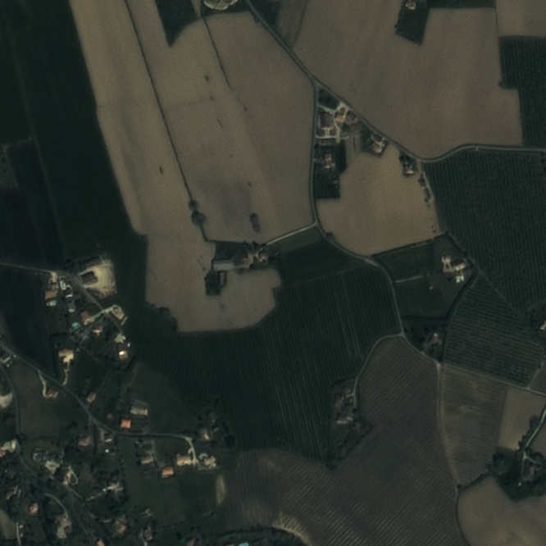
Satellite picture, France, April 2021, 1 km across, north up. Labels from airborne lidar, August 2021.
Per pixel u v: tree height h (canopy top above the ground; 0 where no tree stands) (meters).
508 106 0
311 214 0
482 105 0
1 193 0
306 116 0
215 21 0
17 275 0
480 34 0
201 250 0
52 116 0
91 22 0
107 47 0
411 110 0
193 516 0
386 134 0
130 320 0
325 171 6
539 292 6
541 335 7
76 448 13
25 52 0
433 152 0
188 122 0
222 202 0
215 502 0
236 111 0
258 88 0
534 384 0
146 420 0
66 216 0
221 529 0
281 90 0
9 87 0
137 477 0
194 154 0
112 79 0
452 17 0
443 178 15
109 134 0
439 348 9
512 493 0
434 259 0
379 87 0
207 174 0
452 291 0
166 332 0
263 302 0
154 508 0
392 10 0
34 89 0
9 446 0
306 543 6
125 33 0
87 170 0
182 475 0
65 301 7
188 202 0
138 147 0
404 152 0
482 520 0
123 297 0
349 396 0
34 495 15
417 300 0
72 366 10
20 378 0
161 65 0
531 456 8
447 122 0
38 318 0
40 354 0
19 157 0
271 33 0
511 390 0
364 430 8
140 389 0
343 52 0
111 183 0
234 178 0
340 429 0
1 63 0
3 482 9
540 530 0
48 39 0
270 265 12
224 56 0
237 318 0
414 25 0
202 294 0
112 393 0
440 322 6
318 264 0
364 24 0
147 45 0
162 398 0
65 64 0
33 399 0
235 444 29
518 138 0
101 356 6
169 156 0
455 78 0
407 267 0
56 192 0
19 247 0
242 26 0
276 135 0
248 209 0
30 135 0
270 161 0
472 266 8
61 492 7
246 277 0
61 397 0
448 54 0
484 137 0
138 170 0
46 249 0
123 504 11
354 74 0
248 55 0
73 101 0
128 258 0
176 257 0
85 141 0
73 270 17
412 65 0
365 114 0
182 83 0
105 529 10
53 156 0
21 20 0
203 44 0
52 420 0
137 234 0
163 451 0
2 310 0
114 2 0
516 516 0
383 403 6
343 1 0
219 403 6
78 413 0
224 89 0
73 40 0
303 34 0
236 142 0
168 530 0
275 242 0
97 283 0
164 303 0
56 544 21
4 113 0
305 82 0
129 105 0
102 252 0
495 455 0
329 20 0
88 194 0
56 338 9
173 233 0
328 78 0
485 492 0
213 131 0
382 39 0
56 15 0
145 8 0
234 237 0
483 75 0
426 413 6
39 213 0
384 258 0
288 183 0
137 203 0
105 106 0
